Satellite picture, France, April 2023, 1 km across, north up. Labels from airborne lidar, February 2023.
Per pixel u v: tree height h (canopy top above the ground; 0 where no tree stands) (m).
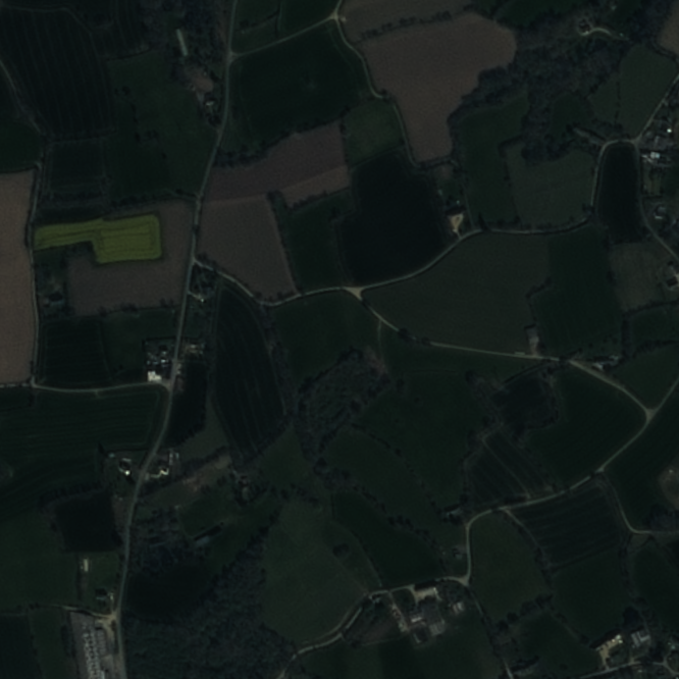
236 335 0
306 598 0
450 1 0
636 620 19
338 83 0
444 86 0
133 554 8
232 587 14
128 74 0
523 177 0
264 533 13
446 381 0
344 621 0
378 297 0
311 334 0
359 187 0
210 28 9
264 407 0
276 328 14
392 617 0
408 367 0
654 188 0
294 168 0
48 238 0
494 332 0
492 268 0
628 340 12
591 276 0
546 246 0
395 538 0
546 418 0
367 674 0
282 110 0
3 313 0
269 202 12
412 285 0
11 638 0
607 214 0
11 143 0
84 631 0
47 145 17
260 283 0
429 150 0
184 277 0
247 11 0
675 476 0
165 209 0
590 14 7
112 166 0
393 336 0
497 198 0
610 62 14
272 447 17
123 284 0
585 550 0
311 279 0
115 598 0
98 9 0
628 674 12
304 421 12
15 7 0
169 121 0
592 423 0
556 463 0
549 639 0
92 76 0
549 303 0
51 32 0
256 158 7
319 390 7
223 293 0
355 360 8
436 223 0
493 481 0
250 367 0
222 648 19
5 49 0
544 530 0
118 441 0
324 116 0
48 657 0
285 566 0
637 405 0
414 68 0
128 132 0
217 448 0
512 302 0
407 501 0
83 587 9
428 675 0
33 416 0
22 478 0
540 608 16
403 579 0
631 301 0
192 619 14
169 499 0
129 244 0
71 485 0
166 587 0
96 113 0
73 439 0
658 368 0
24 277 0
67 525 0
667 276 0
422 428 0
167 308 15
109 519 0
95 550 0
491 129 0
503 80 23
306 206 8
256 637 12
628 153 0
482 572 0
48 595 0
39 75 0
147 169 0
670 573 0
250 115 0
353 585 0
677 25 0
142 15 18
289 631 0
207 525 0
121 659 0
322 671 0
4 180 0
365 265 0
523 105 0
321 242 0
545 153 13
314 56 0
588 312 0
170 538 10
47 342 0
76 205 9
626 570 16
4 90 0
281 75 0
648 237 15
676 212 0
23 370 0
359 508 0
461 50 0
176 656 8
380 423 0
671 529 15
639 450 0
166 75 0
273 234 0
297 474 0
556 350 0
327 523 0
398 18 0
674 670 0
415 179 0
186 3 18
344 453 0
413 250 0
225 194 0
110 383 0
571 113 0
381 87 0
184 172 0
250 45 0
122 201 0
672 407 0
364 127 0
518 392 0
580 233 0
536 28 14
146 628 10
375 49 0
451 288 0
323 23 0
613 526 0
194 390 0
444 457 0
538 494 0
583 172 0
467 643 0
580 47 0
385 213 0
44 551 0
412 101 0
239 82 0
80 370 0
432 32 0
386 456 0
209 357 12
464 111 9
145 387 0
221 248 0
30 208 0
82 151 0
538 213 0
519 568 0
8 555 0
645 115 0
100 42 0
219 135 0
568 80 25
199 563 13
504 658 17
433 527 0
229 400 0
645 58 0
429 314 0
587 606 0
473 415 0
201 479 0
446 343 0
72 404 0
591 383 0
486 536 0
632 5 0
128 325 0
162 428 0
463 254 0
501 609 0
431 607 11
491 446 0
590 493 0
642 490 0
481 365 0
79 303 0
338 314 0
